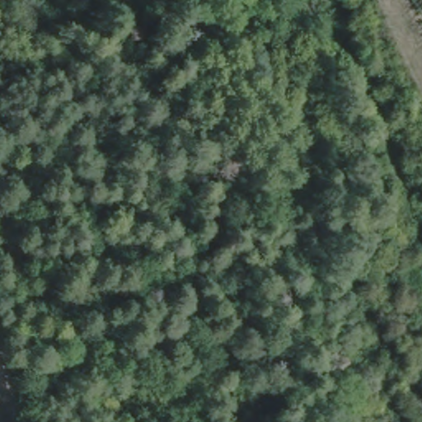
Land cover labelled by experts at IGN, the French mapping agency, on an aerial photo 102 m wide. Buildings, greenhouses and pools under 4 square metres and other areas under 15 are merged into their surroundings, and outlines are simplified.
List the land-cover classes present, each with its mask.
<instances>
[{"label":"coniferous trees","instance_id":"1","mask_svg":"<svg viewBox=\"0 0 422 422\"><path fill-rule=\"evenodd\" d=\"M282 0H0V280L5 282L7 288H13L18 274L21 279L26 280V287L33 285L36 282L31 274L33 256H56L53 269L40 272L41 280L45 282V292L41 295H28L20 303H13V298L0 303V359L5 382L10 386V422H40L31 417L28 407L30 391L25 376L31 369L48 374L46 392L53 397L51 406L45 412L48 417L59 419V422H134L130 414L115 419V410L119 409L120 402L132 396L134 379H142L152 374L150 361L160 353L163 354V381L171 382L176 379L188 384L185 396L175 397L168 401V404L173 409H178L196 402L201 406L198 417L203 422H422V290H414L402 282H389L386 285L384 282H373L369 285V282L358 280V274L359 270L363 269L364 262H368L374 256V249L382 241L377 229L389 227L391 223V211L386 203L392 193V183L399 180L406 190L407 203L412 211L410 218L404 219V226L417 227V234L407 239L409 244L399 254L414 262L417 254L422 252V94L404 66L401 54L397 53L396 43L389 38L386 15L379 8L377 0H308L307 7L302 10L307 13L310 23L318 20L320 16L333 20L331 40L340 46L336 48L335 56H328L323 49H316L315 56L293 64L292 68L287 69V76L280 77L279 86H272L269 53L274 51V45L265 43L260 49H252L249 38L259 31L272 28L275 13L285 12L280 5ZM318 105H330L331 112L336 115V120L340 124L341 137H325L318 129ZM277 160L284 165L285 170L293 171L300 166L308 173L307 183L290 193L295 218L292 227L287 229L274 227V224H259L264 209L269 208V193L264 190L267 173L272 170ZM150 170L157 171L160 175V186L163 188H170L175 180H183L186 185L183 195L178 199V206L166 218L160 219L158 214L148 211L147 198H143V191L147 188V171ZM28 196L35 203L40 201L45 206L46 218L36 221L13 218L10 213L20 208L21 201L28 199ZM86 209L101 231L104 242V251L101 254L91 251L94 232L91 231V224L84 223L81 219V211ZM193 254L195 264L203 265V262L214 259L218 272H224L227 279L236 280L237 292L229 295H224L223 288L218 284L211 285L204 272L196 270L181 280H157L143 287L140 280L142 270L132 267L134 262L148 259L158 260L163 270L173 269L176 260ZM356 295L364 298L366 313L363 320L346 323L345 315L351 312V302ZM204 326H208L214 340L218 341L226 353V366L213 374H201V361L209 358V354L204 351V345L196 346L193 341V336L198 335ZM102 331L105 338L114 343L112 359L117 368L125 369L129 363L137 364L134 377L125 376L122 382H117L114 389L107 386L104 377H99L96 382L89 381L94 368V353L101 349L94 343L92 336L101 335ZM74 335L81 338L86 354L82 363L66 368L58 351L71 348L68 340ZM354 374L363 377L371 394L363 414L349 417L338 406V396L343 386L341 381Z\"/></svg>","mask_w":422,"mask_h":422},{"label":"deciduous trees","instance_id":"2","mask_svg":"<svg viewBox=\"0 0 422 422\"><path fill-rule=\"evenodd\" d=\"M308 0H282L280 5L285 12L275 13L272 28L259 31L249 38L252 49H260L265 43L274 45V51L269 53L272 86H279L280 77L287 76V69L292 68L293 64L315 56L316 49H323L328 56H335L336 48L340 46L331 40L333 20L320 16L318 20L310 23L307 13L302 10L307 7ZM318 129L325 137H341L340 124L336 120V115L331 112L330 105H318ZM308 173L300 166L293 171L285 170L284 165L277 160L272 170L267 173L264 190L269 193V208L264 209L259 224H274V227L287 229L292 227L295 218L290 193L307 183ZM186 185L183 180H175L170 188H163L160 186V175L157 171L150 170L147 171V188L143 191V198H147L148 211L158 214L160 219L166 218L178 206V199L183 195ZM391 211V223L389 227L377 229L382 241L374 249V256L368 262H364L363 269L359 270L358 274V280L369 282V285L373 282H384L386 285L389 282H402L414 290H422V252L417 254L414 262L399 254L409 244L407 239L417 234V227L404 226V219L410 218L412 211L407 203L406 190L399 180L392 183V193L386 203ZM13 218L36 221L46 218L45 206L40 201L35 203L28 196V199L21 201L20 208L10 213ZM81 219L84 223L91 224V231L94 232L91 251L101 254L104 251V242L101 231L86 209L81 211ZM132 267L142 270L140 280L143 287L157 280H181L196 270L204 272L211 285L218 284L223 288L224 295H229L237 292L236 280L227 279L224 272H218L214 259L203 262V265L195 264L193 254L176 260L173 269L163 270L158 260L148 259L134 262ZM56 256H33L31 274L36 282L33 285L26 287V280L21 279L18 274L13 288H7L5 282L0 280V303L13 298V303H20L28 295H41L45 292V282L41 280L40 272L53 269ZM351 312L345 315L346 323L363 320L366 313L364 298L356 295L351 302ZM193 341L196 346L204 345V351L209 354V358L201 361V374H213L226 366V353L218 341L214 340L208 326H204L198 335L193 336ZM94 343L101 349L94 353V368L89 381L96 382L99 377H104L107 386L114 389L117 382H122L125 376L134 377L137 364L129 363L125 369L117 368L112 359L114 343L105 338L102 331L101 335L92 336ZM71 348L58 351L66 368L82 363L86 354L81 338L74 335L68 340ZM163 354L160 353L150 361L152 374L142 379H134L132 396L120 402L119 409L115 410V419L130 414L134 422H203L198 417L201 406L196 402L178 409H173L168 404V401L175 397L185 396L188 384L176 379L171 382L163 381ZM30 391L28 407L31 417L40 422H59V419L48 417L45 412L51 406L53 397L46 392L48 374L31 369L25 376ZM343 386L338 396V406L349 417L363 414L371 394L363 377L354 374L341 381Z\"/></svg>","mask_w":422,"mask_h":422},{"label":"herbaceous vegetation","instance_id":"3","mask_svg":"<svg viewBox=\"0 0 422 422\"><path fill-rule=\"evenodd\" d=\"M379 8L386 15L389 38L396 43L397 53L401 54L404 66L422 94V0H377Z\"/></svg>","mask_w":422,"mask_h":422},{"label":"vineyard","instance_id":"4","mask_svg":"<svg viewBox=\"0 0 422 422\"><path fill-rule=\"evenodd\" d=\"M10 386L5 382L0 359V422H10Z\"/></svg>","mask_w":422,"mask_h":422}]
</instances>
